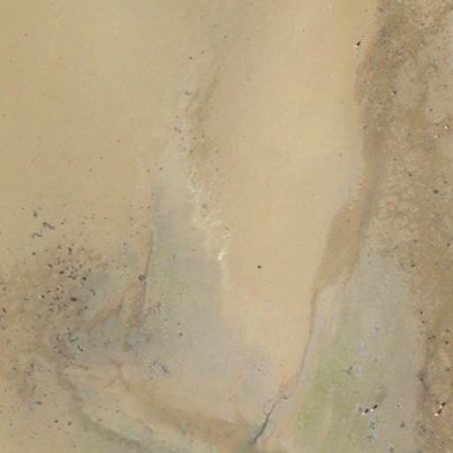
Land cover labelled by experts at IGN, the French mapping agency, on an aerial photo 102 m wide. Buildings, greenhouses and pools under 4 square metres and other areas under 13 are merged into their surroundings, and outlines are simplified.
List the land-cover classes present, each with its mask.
<instances>
[{"label":"bare soil","instance_id":"1","mask_svg":"<svg viewBox=\"0 0 453 453\"><path fill-rule=\"evenodd\" d=\"M0 453H453V0H0Z\"/></svg>","mask_w":453,"mask_h":453}]
</instances>
